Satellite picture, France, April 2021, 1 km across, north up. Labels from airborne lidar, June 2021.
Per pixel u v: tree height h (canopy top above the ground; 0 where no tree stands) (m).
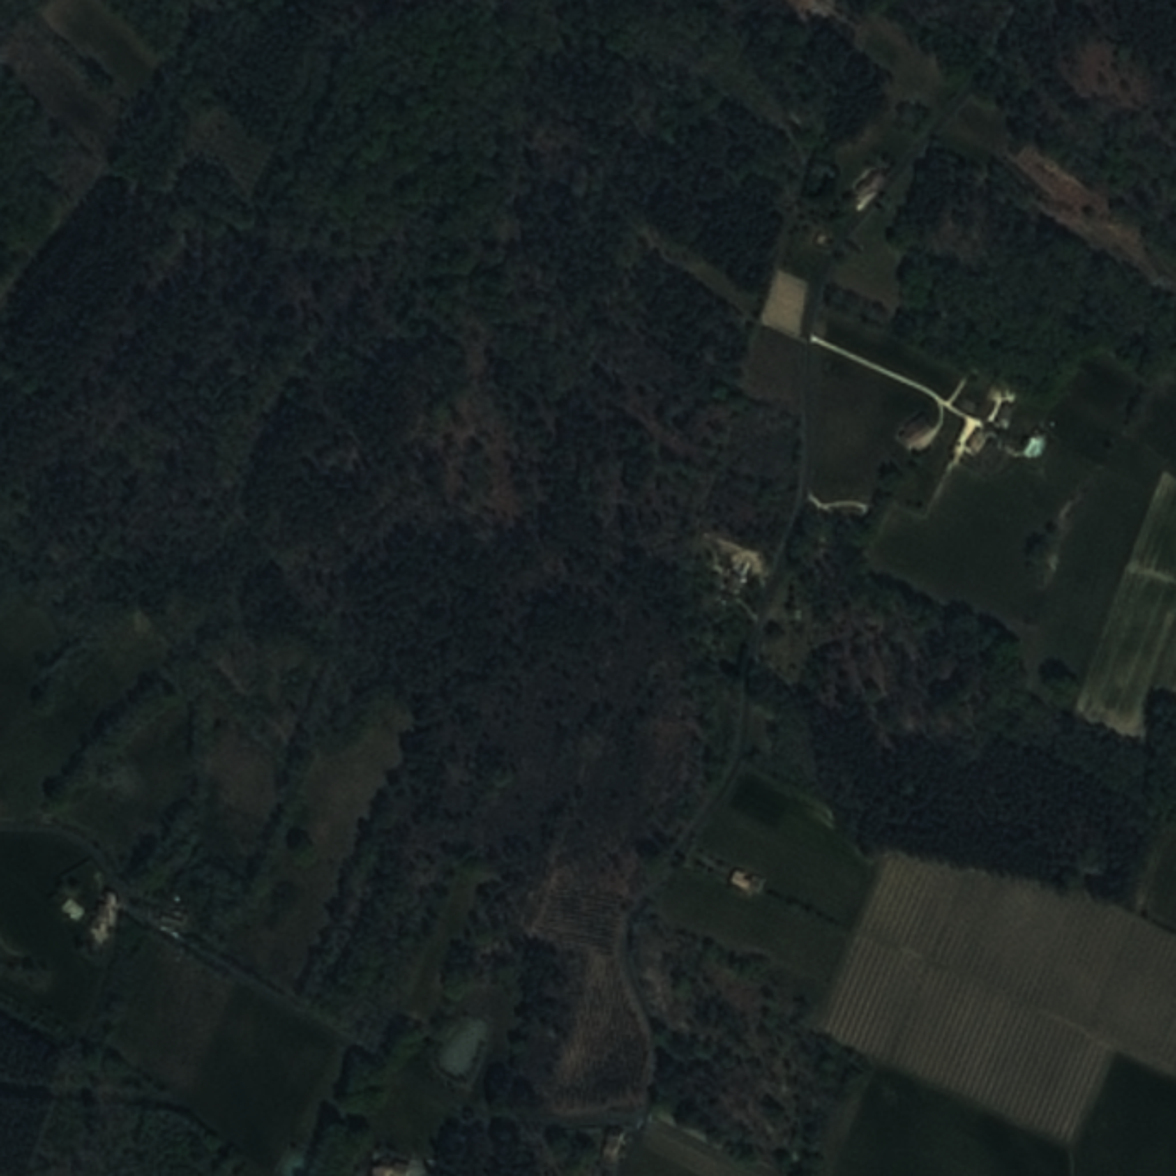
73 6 0
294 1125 0
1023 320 27
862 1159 0
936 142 9
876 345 0
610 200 18
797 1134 10
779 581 0
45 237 19
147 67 0
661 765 6
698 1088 26
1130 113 7
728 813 0
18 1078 19
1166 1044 0
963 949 0
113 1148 12
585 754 11
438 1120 0
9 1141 18
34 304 8
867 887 0
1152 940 0
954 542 0
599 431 22
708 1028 14
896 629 16
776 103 14
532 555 22
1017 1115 0
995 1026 0
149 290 9
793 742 15
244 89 23
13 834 0
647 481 23
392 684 24
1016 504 0
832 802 15
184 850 19
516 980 14
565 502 23
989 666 24
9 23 7
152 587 11
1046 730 19
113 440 12
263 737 16
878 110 19
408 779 12
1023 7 17
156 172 24
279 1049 0
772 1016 13
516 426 19
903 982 0
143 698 13
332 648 19
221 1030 0
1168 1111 0
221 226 19
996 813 23
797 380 0
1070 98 22
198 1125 16
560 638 19
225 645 24
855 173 0
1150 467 0
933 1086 0
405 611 21
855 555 25
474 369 18
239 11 14
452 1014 12
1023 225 20
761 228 16
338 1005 22
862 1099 0
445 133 19
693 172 21
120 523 8
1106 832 21
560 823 12
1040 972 0
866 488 0
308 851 23
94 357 23
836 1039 6
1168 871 0
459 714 16
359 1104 22
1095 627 0
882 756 22
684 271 9
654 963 0
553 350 15
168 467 10
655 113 10
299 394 16
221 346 10
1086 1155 0
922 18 10
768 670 12
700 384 11
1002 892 0
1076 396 0
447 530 10
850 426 0
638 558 18
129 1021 0
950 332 12
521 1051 15
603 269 19
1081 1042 0
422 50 22
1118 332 17
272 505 25
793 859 0
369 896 13
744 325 7
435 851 7
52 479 13
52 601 7
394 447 24
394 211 20
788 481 9
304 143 13
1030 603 0
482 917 14
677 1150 0
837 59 16
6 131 19
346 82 24
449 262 17
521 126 18
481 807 13
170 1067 0
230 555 13
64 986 0
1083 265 21
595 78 24
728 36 21
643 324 13
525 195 8
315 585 15
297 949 0
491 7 17
